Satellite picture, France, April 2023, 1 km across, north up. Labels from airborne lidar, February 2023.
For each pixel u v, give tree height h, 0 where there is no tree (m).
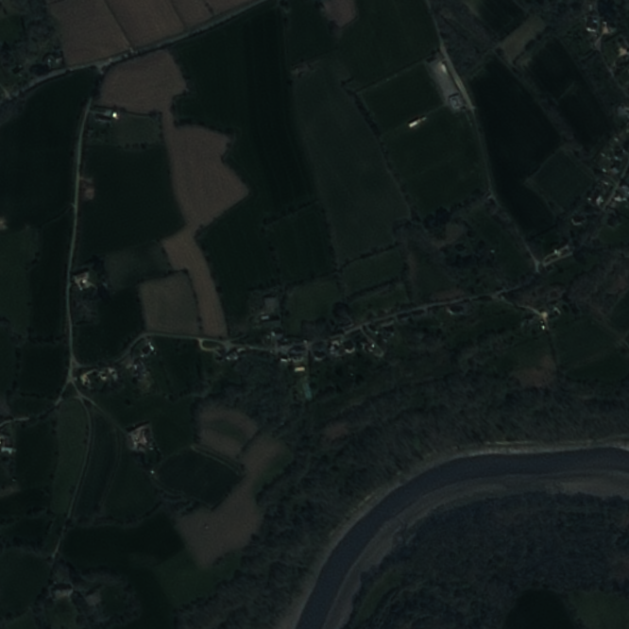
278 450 0
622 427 25
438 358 0
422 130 0
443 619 20
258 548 11
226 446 0
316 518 25
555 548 29
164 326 0
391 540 0
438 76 0
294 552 22
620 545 9
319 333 14
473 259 11
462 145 0
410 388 11
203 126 8
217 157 0
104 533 0
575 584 15
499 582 14
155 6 0
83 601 15
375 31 0
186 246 0
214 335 0
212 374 12
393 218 0
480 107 0
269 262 0
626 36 12
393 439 22
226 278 0
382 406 20
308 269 0
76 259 8
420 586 8
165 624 0
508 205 0
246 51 0
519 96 0
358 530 0
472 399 21
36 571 0
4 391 0
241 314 0
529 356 0
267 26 0
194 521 0
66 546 0
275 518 16
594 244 9
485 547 18
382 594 0
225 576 0
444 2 10
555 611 0
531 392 13
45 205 0
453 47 7
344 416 12
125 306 0
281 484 10
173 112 10
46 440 0
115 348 0
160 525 0
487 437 31
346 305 7
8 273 0
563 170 0
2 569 0
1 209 0
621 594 10
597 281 11
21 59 14
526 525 19
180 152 0
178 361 0
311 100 0
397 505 0
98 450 0
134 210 0
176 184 0
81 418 0
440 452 17
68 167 0
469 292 10
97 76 0
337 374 13
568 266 0
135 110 0
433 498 0
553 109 19
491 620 19
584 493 0
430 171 0
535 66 0
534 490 0
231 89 0
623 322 0
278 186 0
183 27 0
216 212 0
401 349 0
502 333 9
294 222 0
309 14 0
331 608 0
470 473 0
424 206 0
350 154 0
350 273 0
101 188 0
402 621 13
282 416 15
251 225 0
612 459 0
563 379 11
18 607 0
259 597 21
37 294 0
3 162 0
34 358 0
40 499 0
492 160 0
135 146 7
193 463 0
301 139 0
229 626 14
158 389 11
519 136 0
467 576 20
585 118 0
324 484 22
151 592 0
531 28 0
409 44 0
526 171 0
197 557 0
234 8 0
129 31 0
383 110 0
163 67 0
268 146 0
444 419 27
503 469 0
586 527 23
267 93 0
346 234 0
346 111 0
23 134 0
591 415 16
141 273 0
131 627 0
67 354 6
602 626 0
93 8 0
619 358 0
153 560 0
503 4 0
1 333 0
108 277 7
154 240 0
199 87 0
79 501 0
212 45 0
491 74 0
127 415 0
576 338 0
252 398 9
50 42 13
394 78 0
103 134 9
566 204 0
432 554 13
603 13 20
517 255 0
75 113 0
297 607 0
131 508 0
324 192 0
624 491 0
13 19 0
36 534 0
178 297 0
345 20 0
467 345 10
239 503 0
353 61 0
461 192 0
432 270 0
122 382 9
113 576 16
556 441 18
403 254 10
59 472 0
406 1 0
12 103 12
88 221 0
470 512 15
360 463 21
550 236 0
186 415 0
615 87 7
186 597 0
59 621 0
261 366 9
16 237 0
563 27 13
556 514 17
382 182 0
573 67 0
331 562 0
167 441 0
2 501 0
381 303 0
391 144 0
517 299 11
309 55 0
